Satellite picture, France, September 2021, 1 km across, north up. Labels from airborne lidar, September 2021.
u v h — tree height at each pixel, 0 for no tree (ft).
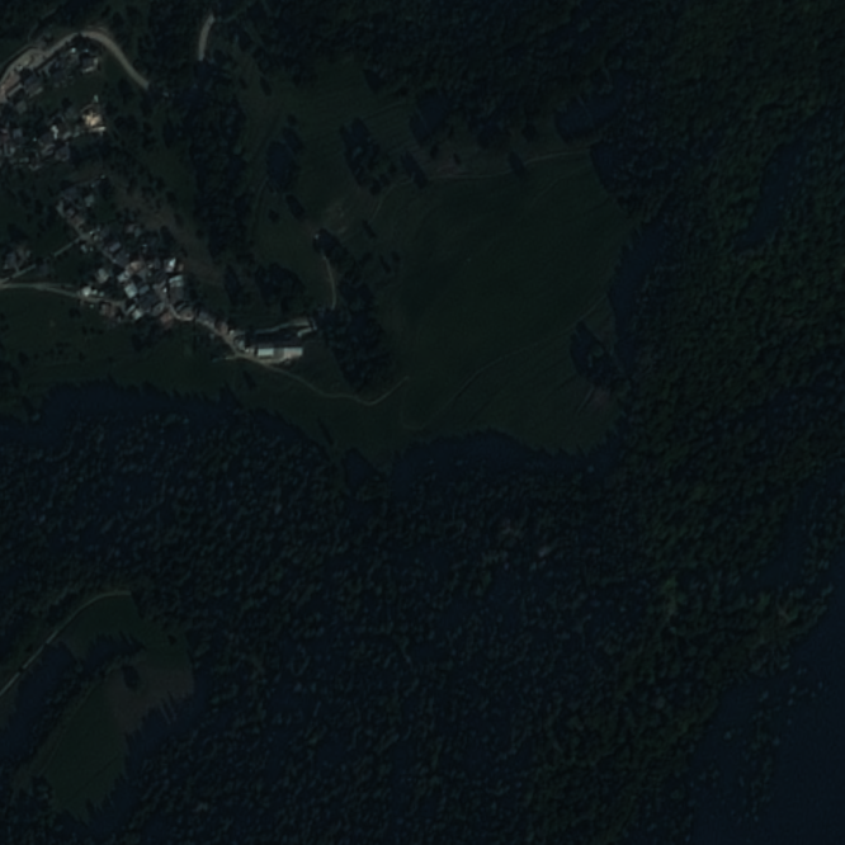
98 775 0
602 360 48
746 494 96
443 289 0
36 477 96
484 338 0
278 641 43
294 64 67
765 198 82
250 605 68
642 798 22
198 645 51
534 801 64
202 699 29
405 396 0
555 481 75
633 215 73
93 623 0
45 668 0
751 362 54
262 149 0
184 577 43
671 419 86
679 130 121
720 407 97
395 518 84
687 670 42
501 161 0
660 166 96
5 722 0
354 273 54
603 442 0
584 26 64
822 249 85
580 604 43
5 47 0
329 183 0
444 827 49
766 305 88
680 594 40
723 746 94
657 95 75
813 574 50
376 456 0
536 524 112
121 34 37
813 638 25
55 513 118
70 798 0
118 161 31
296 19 94
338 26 66
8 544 62
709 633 81
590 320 0
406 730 78
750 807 72
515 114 86
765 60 113
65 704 61
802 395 88
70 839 60
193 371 0
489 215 0
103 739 0
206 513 107
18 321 0
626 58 79
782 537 85
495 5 130
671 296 94
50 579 98
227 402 21
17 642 98
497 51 124
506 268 0
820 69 107
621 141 74
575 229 0
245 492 77
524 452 0
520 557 40
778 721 83
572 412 0
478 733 41
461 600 53
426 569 108
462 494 99
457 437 0
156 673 0
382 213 0
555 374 0
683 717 97
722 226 87
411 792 88
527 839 79
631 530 82
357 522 64
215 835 84
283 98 0
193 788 55
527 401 0
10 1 90
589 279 0
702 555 86
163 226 0
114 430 82
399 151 0
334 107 0
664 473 91
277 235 0
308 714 94
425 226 0
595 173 0
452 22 119
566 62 74
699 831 70
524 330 0
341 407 0
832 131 88
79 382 0
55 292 0
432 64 101
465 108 47
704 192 78
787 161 57
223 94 66
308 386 0
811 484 86
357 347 66
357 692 76
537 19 90
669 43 95
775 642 20
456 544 62
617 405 0
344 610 74
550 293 0
